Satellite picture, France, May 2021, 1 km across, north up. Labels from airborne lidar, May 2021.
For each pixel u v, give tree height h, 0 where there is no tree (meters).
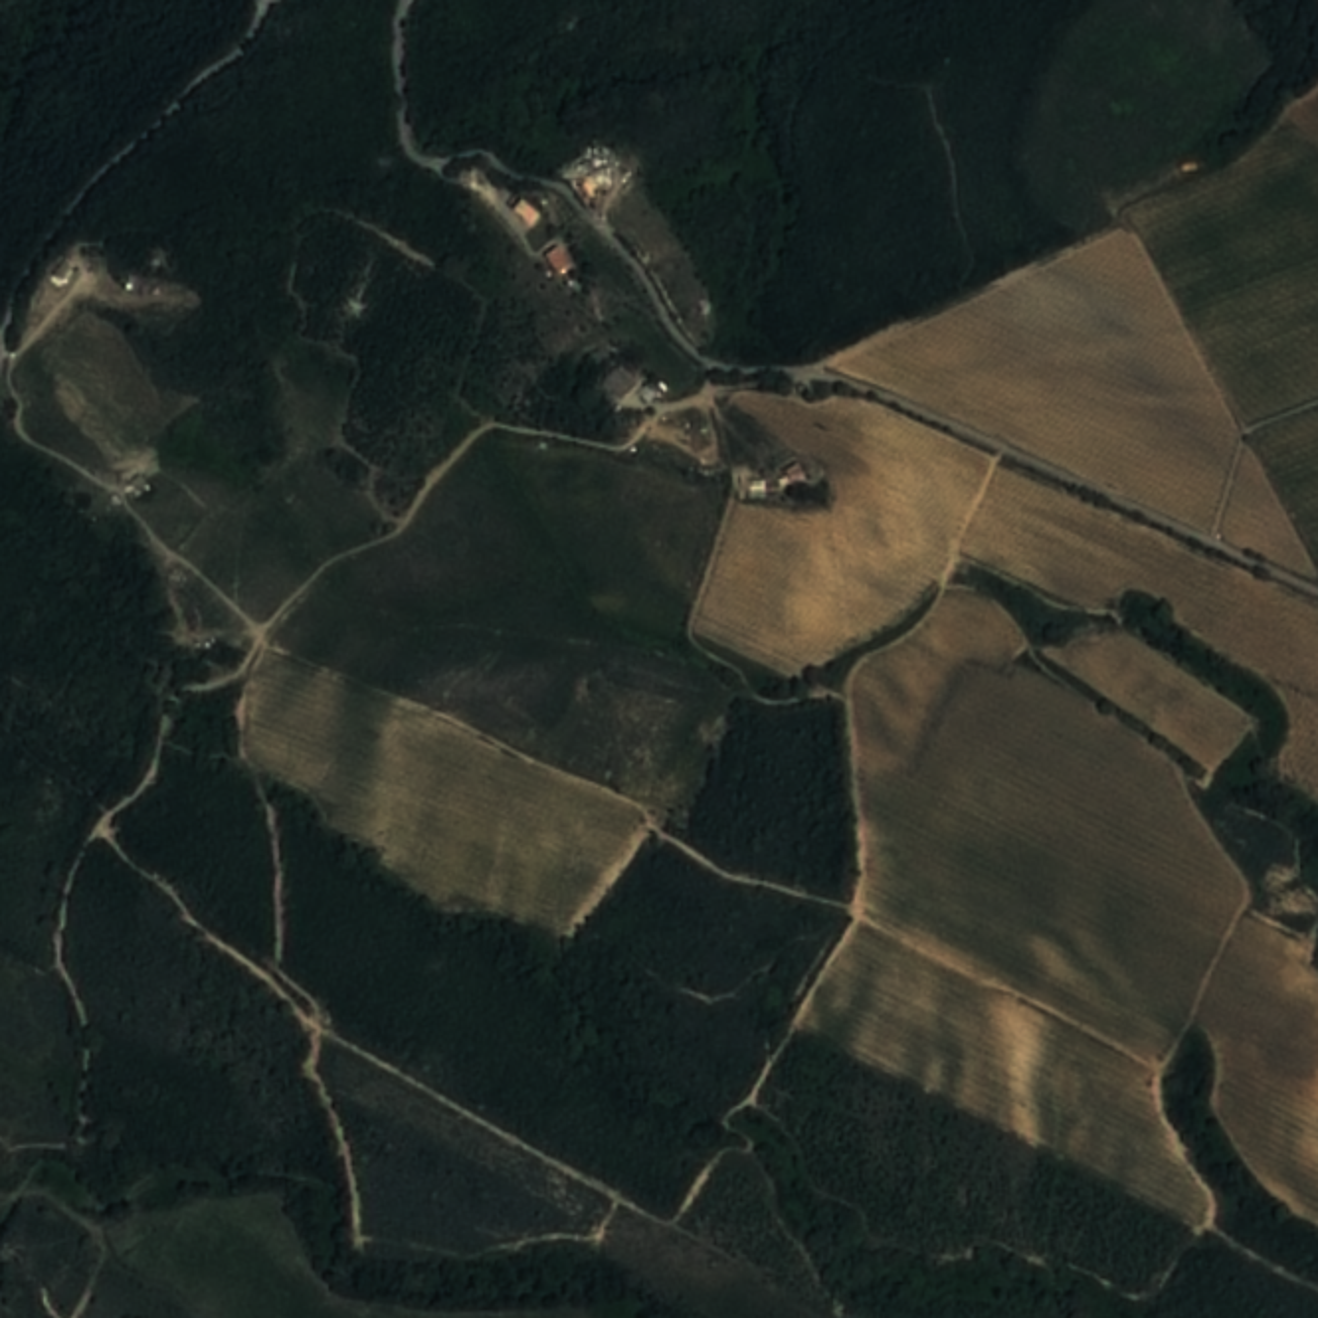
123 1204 8
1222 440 0
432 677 0
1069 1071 0
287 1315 0
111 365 0
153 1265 0
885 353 0
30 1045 0
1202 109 0
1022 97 5
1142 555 0
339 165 8
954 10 9
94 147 10
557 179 7
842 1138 7
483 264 6
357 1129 6
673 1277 0
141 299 0
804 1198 6
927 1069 0
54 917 6
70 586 12
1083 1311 12
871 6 11
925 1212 6
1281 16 14
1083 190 0
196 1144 7
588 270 12
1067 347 0
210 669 7
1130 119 0
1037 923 0
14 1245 0
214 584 0
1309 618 0
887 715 0
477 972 6
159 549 0
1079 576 0
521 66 12
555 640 0
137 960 6
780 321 8
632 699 0
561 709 0
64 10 9
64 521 8
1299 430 0
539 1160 0
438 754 0
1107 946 0
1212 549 6
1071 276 0
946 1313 6
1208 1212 0
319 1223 11
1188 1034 0
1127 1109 0
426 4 9
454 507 0
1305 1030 0
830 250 9
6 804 6
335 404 0
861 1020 0
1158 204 0
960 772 0
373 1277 19
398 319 7
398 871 0
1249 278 0
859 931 0
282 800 9
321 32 5
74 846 6
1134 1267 6
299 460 0
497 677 0
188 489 0
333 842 7
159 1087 10
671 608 0
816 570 0
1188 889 0
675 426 0
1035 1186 7
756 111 6
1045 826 0
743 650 0
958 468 0
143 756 12
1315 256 0
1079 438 0
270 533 0
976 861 0
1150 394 0
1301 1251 7
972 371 0
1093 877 0
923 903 0
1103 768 0
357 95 8
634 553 0
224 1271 0
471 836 0
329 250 6
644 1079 6
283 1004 10
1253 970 0
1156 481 0
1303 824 7
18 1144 0
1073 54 0
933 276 6
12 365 0
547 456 0
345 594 0
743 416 0
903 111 6
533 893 0
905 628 0
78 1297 0
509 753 0
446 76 8
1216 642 0
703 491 0
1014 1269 12
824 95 7
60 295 0
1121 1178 0
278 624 0
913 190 5
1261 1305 6
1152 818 0
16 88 9
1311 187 0
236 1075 9
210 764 10
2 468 7
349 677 0
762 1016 6
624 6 10
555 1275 7
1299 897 0
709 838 6
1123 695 0
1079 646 0
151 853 6
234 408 6
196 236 10
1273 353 0
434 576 0
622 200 0
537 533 0
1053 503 0
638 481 0
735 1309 0
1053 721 0
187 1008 11
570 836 0
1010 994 0
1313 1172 0
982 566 0
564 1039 7
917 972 0
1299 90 13
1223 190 0
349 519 0
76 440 0
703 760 0
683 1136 8
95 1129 11
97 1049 11
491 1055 5
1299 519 0
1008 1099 0
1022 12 8
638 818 0
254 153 8
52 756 5
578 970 8
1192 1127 7
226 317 7
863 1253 10
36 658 7
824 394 6
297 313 7
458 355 7
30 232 13
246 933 5
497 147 7
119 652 9
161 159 6
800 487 14
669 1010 9
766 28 9
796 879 7
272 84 7
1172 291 0
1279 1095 0
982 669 0
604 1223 0
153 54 11
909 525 0
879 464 0
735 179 9
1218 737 0
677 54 15
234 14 11
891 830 0
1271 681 0
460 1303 12
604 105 21
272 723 0
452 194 6
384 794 0
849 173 7
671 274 0
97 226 8
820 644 0
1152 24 0
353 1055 0
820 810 10
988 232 6
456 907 0
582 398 14
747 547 0
